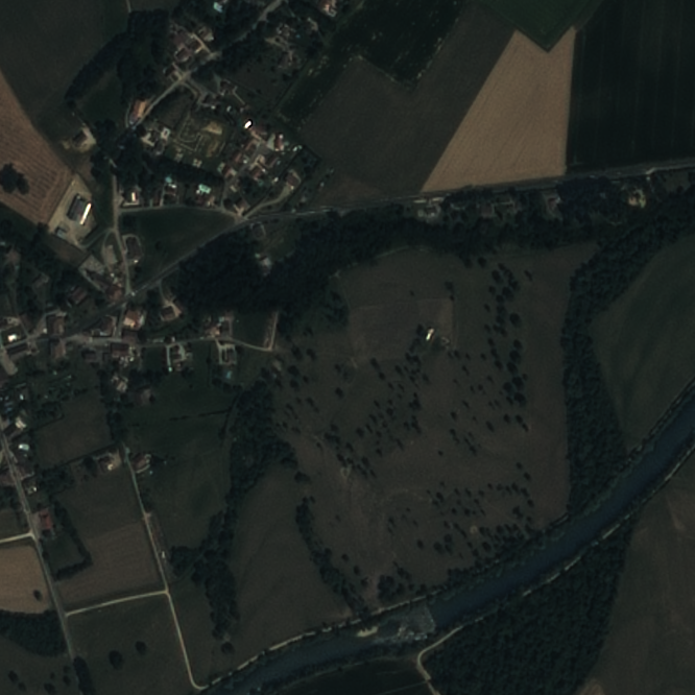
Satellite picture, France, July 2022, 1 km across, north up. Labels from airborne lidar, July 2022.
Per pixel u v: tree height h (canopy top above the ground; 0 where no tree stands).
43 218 0
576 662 15
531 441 0
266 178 9
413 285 0
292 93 0
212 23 16
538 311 0
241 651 0
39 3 0
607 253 16
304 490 0
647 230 6
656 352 0
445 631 9
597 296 23
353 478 0
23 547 0
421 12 0
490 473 0
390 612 7
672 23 0
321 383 0
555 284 0
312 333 20
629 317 0
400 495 0
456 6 0
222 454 0
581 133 0
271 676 0
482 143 0
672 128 0
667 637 0
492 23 0
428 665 11
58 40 0
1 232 7
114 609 0
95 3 0
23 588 0
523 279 0
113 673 0
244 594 0
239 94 0
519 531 16
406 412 0
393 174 0
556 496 0
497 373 0
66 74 0
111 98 0
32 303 9
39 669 0
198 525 0
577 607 17
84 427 0
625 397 0
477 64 0
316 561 9
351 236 21
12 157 0
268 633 0
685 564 0
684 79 0
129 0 0
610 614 15
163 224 0
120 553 0
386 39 0
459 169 0
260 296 26
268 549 0
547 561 0
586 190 26
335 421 0
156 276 0
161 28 23
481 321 0
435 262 0
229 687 13
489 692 11
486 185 0
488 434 0
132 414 0
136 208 0
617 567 20
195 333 7
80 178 0
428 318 0
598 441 15
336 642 0
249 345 0
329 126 0
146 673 0
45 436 0
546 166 0
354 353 0
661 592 0
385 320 0
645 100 0
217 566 11
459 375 0
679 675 0
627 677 0
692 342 0
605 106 0
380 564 0
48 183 0
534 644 15
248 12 17
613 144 0
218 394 0
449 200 8
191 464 0
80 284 6
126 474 0
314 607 0
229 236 9
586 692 0
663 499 0
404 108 0
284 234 0
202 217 0
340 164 0
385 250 8
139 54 16
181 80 0
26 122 0
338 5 6
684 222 13
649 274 0
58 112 0
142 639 0
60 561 0
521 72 0
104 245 0
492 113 0
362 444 0
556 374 0
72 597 0
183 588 0
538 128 0
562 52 0
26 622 16
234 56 13
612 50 0
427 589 14
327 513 0
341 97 0
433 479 0
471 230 7
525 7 0
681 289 0
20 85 0
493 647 9
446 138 0
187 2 15
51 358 0
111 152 23
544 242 8
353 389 0
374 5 0
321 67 0
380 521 0
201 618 0
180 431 0
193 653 0
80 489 0
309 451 0
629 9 0
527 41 0
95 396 0
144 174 21
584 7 0
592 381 16
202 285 14
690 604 0
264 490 0
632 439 0
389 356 0
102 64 20
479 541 0
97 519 0
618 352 0
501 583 0
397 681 0
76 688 0
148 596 0
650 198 18
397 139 0
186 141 0
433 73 0
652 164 0
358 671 0
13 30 0
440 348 0
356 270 0
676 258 0
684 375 0
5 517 0
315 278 21
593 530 0
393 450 0
